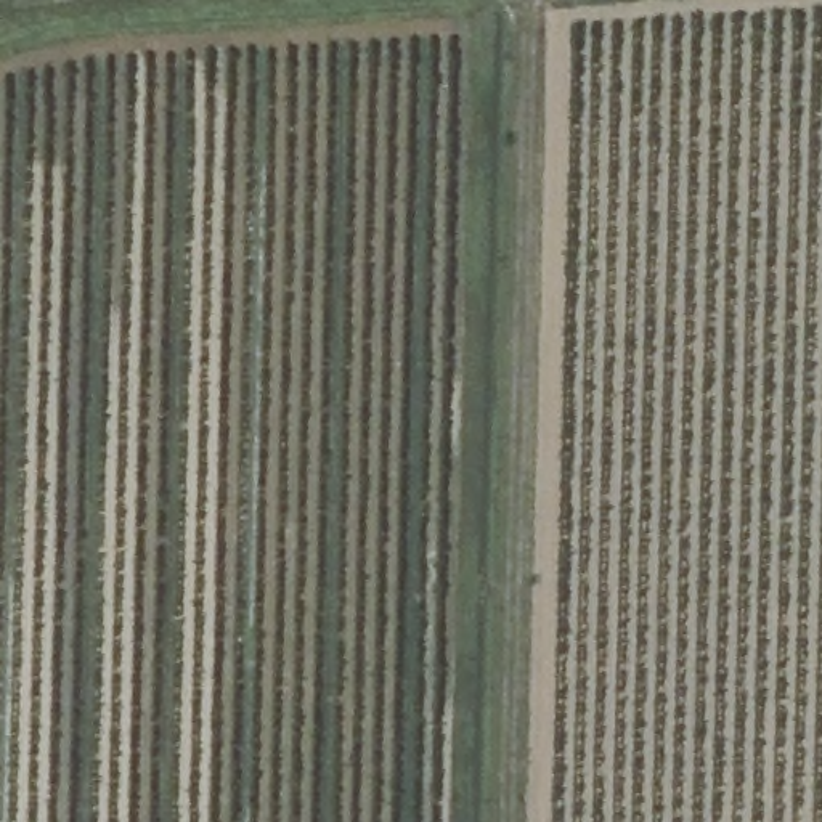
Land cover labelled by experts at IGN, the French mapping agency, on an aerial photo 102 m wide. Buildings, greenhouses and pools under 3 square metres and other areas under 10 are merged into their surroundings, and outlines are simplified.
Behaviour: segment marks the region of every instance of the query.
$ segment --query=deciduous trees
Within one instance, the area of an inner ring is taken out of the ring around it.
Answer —
[[[177,6],[183,0],[0,0],[0,16],[19,26],[35,16]]]

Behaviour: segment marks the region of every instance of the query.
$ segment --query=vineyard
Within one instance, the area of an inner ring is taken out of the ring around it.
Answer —
[[[450,13],[440,13],[440,19],[405,16],[372,22],[321,22],[273,29],[238,26],[215,32],[58,39],[42,48],[0,51],[0,822],[822,822],[822,0],[504,0],[504,13],[491,13],[491,77],[482,103],[462,87],[459,22]]]

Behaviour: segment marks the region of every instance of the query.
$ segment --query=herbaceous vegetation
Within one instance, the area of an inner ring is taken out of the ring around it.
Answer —
[[[462,87],[482,103],[491,77],[491,13],[504,13],[504,0],[183,0],[177,6],[35,16],[19,26],[0,16],[0,51],[42,48],[58,39],[215,32],[238,26],[273,29],[321,22],[372,22],[405,16],[440,19],[440,13],[450,13],[459,22]]]

